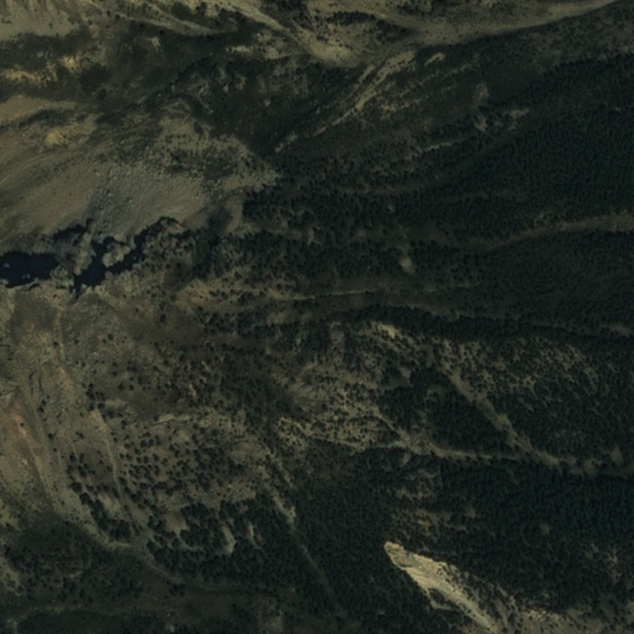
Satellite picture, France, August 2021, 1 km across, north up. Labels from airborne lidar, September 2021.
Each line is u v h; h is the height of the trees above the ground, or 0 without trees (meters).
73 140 0
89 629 0
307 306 12
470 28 0
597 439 19
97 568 7
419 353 9
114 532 11
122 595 10
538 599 7
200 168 0
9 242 0
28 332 0
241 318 11
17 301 0
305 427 8
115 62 0
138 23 0
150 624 6
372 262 7
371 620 16
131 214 0
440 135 13
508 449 21
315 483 7
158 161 0
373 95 0
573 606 10
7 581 0
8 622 0
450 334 12
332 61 0
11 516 0
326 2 0
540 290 10
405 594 14
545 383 11
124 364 0
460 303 0
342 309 0
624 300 7
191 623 0
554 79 12
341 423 6
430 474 7
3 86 0
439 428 16
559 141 10
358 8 0
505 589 8
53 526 0
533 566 18
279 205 10
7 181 0
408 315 16
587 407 21
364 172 12
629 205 10
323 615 7
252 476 0
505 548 24
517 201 12
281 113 0
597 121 10
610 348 17
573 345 9
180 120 0
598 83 17
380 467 13
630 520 19
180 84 0
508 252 8
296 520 7
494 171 10
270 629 0
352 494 12
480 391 8
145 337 0
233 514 16
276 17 0
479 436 25
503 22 0
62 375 0
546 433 17
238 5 0
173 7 0
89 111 0
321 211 17
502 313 0
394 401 6
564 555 21
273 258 10
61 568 6
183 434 0
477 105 0
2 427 0
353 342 9
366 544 15
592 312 9
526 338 12
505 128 8
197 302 0
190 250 12
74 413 0
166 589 0
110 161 0
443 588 0
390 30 13
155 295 7
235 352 10
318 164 9
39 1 0
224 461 9
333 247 14
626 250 16
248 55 0
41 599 0
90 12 0
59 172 0
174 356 6
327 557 9
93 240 0
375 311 13
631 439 24
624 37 0
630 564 9
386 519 8
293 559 16
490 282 13
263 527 12
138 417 0
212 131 0
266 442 10
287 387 7
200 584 0
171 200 0
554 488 18
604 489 27
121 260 0
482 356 11
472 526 15
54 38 0
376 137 0
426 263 17
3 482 0
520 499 25
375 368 6
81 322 0
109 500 0
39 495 0
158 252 6
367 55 0
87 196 0
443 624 9
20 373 0
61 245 0
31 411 0
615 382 18
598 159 10
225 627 8
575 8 0
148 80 0
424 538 12
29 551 10
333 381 7
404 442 0
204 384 11
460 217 12
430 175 12
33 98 0
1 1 0
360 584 17
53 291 0
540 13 0
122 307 0
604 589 22
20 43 0
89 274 0
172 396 0
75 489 9
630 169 9
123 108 0
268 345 0
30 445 0
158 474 9
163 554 19
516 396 12
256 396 11
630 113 16
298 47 0
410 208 10
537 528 15
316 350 6
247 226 0
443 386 16
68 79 0
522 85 0
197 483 15
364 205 17
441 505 15
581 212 13
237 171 0
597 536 11
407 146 10
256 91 0
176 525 0
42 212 0
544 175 7
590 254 14
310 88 7
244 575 16
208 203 0
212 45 9
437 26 0
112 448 0
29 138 0
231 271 6
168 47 0
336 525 11
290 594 0
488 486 21
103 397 7
